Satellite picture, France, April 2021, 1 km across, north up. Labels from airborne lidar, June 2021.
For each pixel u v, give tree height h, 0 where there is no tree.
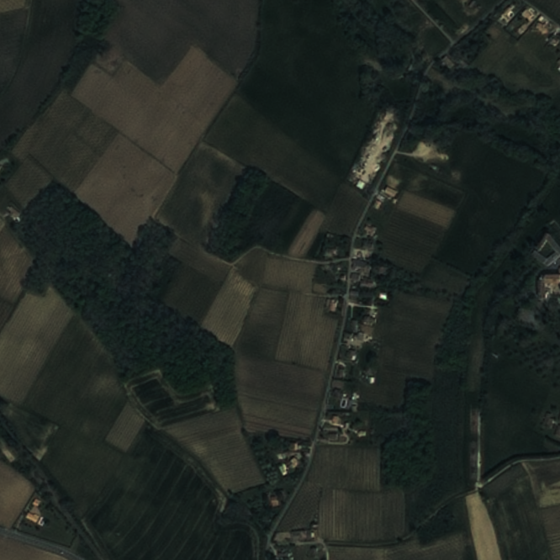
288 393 0
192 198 0
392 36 22
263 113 0
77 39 11
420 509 11
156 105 0
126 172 0
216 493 0
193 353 23
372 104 9
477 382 0
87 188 0
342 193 0
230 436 0
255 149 0
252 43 0
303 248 0
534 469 0
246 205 21
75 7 0
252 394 0
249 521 9
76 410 0
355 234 0
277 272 0
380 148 0
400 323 0
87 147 0
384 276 13
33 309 0
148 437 0
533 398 0
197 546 0
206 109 0
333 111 0
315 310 0
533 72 0
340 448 0
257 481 0
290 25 0
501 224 0
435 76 0
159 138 0
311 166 0
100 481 0
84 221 23
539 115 23
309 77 0
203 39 0
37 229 13
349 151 0
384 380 0
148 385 0
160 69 0
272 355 0
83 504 0
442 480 12
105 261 25
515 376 0
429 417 13
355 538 0
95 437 0
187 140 0
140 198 0
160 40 0
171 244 15
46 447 0
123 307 25
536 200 22
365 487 0
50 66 0
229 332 0
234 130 0
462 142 0
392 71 25
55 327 0
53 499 9
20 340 0
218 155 0
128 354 12
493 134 19
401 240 0
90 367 0
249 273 0
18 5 0
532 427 0
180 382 22
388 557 0
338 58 0
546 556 0
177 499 0
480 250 0
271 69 0
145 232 15
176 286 0
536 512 0
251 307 0
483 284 9
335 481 0
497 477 0
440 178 0
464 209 0
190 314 0
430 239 0
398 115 12
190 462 0
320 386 0
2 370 0
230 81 0
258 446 19
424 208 0
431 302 0
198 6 0
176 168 0
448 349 14
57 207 22
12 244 0
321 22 0
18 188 0
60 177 0
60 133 0
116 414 0
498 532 0
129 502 0
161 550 0
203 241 0
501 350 0
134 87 0
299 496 0
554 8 0
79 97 0
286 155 0
